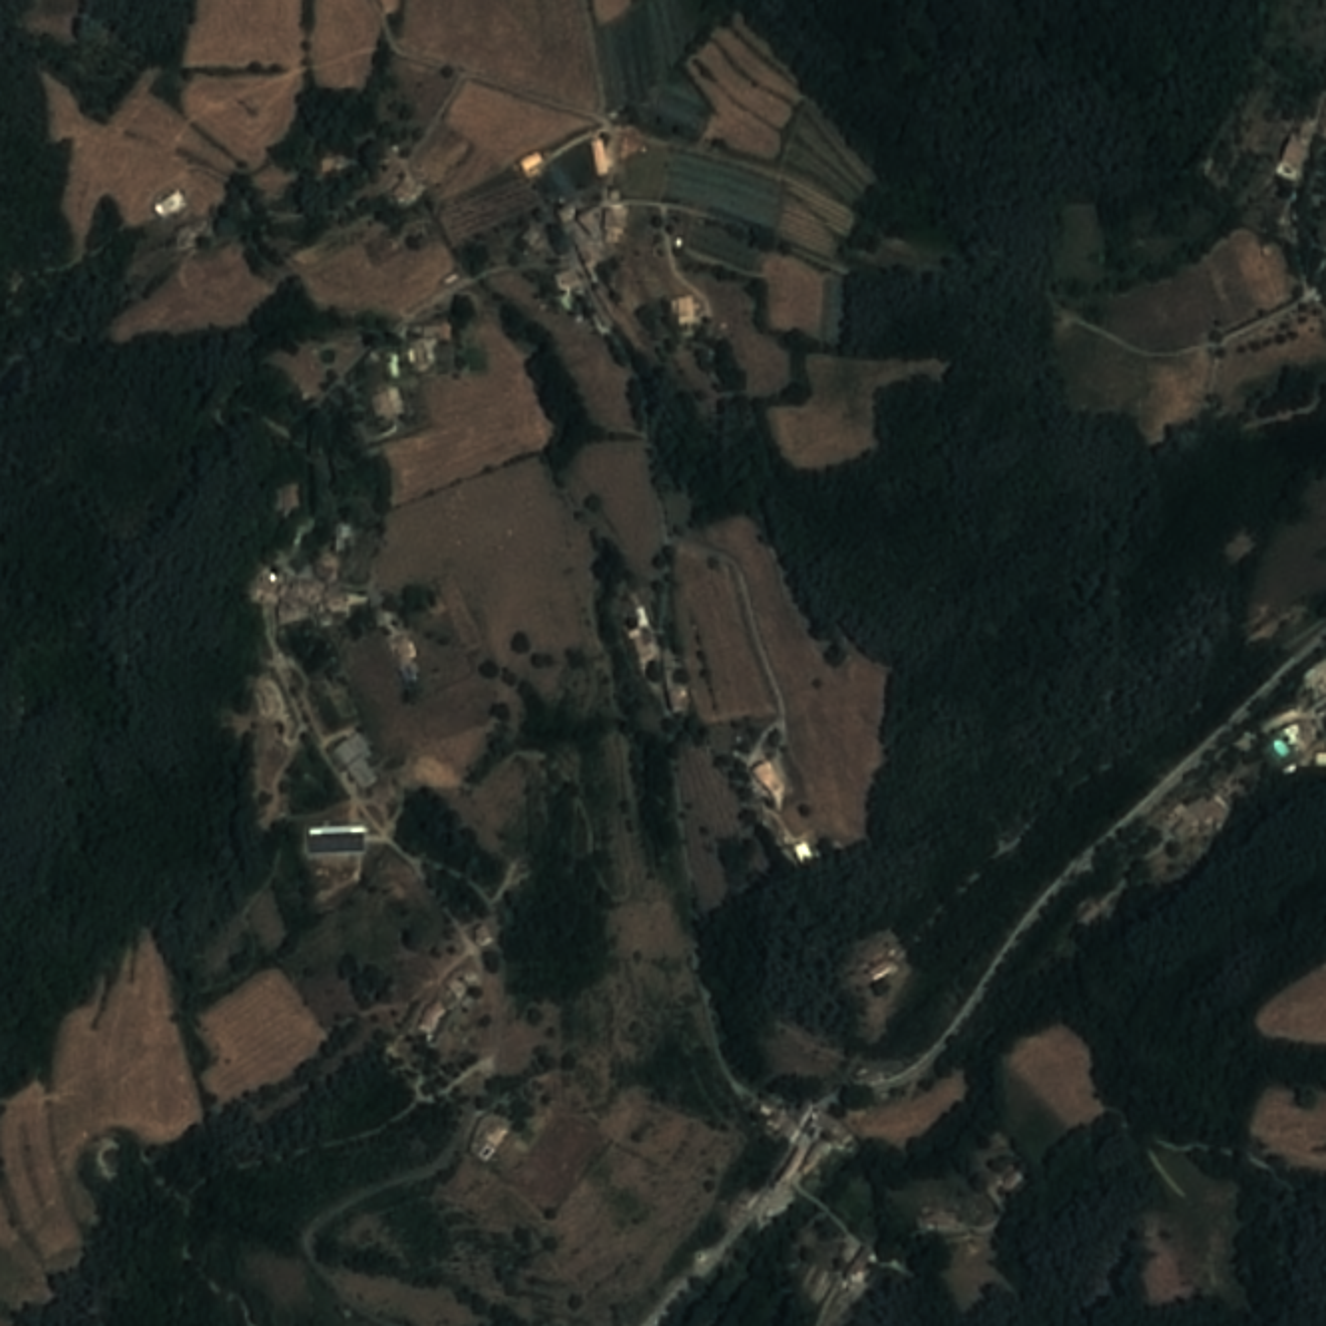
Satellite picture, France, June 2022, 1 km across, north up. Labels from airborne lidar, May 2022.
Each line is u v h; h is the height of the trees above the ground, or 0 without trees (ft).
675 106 0
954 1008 24
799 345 39
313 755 25
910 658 68
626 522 0
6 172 32
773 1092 50
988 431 54
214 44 0
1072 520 50
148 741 72
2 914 49
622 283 0
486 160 0
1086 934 67
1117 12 41
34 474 51
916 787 59
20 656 27
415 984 0
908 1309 61
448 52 0
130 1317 50
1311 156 21
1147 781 22
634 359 36
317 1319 30
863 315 69
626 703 36
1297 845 104
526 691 29
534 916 48
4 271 26
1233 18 34
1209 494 42
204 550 70
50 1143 0
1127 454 60
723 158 0
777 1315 30
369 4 0
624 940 0
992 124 53
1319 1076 44
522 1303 0
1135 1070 42
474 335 0
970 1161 48
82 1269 33
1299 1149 0
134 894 52
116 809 59
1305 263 34
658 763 45
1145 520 60
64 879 47
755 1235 37
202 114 0
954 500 45
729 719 0
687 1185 0
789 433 0
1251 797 47
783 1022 23
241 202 33
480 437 0
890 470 45
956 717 52
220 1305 37
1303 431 42
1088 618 96
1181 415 0
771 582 0
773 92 0
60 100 0
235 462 73
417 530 0
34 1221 0
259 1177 21
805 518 48
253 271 30
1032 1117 0
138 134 0
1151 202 32
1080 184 56
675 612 0
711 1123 23
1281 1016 0
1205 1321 77
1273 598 0
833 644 62
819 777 0
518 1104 23
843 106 50
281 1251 19
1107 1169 37
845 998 77
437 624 0
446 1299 0
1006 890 40
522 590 0
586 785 24
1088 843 27
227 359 78
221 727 56
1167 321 0
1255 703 36
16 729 61
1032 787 35
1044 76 72
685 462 63
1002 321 59
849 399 0
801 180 0
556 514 0
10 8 65
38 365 58
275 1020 0
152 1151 36
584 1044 0
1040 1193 43
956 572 39
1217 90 35
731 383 45
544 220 28
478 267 29
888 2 33
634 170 0
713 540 0
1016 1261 30
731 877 50
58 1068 0
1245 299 0
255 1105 51
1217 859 75
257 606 39
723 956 39
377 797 0
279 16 0
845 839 0
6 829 71
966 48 58
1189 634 57
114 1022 0
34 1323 56
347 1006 0
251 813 68
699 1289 35
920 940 32
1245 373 0
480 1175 0
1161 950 98
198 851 57
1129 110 40
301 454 32
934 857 52
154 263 0
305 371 0
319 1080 23
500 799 0
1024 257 62
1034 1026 41
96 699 32
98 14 59
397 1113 31
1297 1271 61
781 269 0
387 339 52
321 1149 52
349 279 0
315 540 30
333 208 65
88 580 50
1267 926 39
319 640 18
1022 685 53
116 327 0
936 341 61
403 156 25
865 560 52
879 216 36
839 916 63
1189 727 36
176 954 56
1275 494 36
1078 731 43
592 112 0
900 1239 34
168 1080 0
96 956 74
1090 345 0
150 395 25
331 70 0
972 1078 51
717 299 0
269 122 0
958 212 64
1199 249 25
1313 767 30
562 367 61
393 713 0
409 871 0
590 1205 0
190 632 48
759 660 0
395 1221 24
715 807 0
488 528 0
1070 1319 64
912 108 44
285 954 53
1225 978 62
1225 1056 21
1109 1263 55
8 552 54
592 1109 0
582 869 44
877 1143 51
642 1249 0
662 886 0
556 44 0
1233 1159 32
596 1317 0
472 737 0
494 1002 0
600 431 36
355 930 0
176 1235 52
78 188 0
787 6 53
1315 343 0
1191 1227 0
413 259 0
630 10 0
